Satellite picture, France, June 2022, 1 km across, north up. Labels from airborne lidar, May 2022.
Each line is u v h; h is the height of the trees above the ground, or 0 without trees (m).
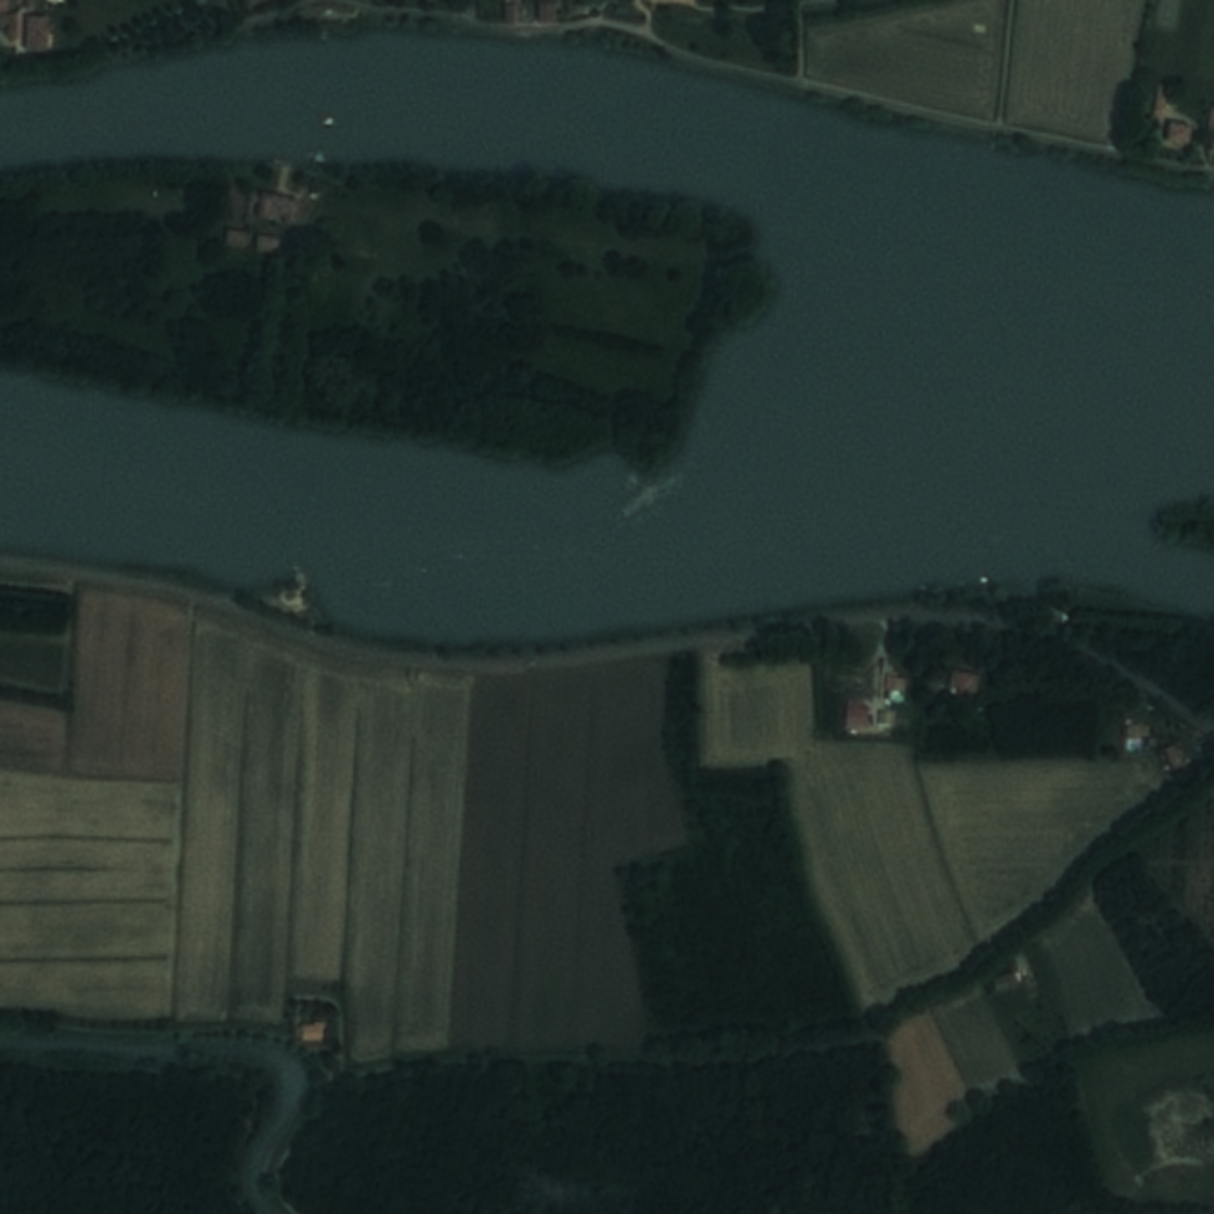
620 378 0
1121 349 0
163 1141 16
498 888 0
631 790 0
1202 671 21
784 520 0
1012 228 0
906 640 24
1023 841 0
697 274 0
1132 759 0
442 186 14
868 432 0
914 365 0
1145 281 0
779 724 0
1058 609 12
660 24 0
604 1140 17
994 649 12
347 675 0
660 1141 19
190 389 13
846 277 0
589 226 0
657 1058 20
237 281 16
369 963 0
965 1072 0
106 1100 15
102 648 0
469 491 0
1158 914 15
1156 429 0
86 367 18
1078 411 0
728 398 0
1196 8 0
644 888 11
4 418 0
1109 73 0
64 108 0
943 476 0
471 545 0
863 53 0
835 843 0
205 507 0
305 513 0
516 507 0
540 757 0
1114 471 0
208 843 0
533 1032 0
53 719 0
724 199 0
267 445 0
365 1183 20
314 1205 18
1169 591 0
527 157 0
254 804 0
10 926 0
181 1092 20
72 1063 13
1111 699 25
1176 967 29
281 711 0
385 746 0
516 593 0
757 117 0
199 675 0
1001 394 0
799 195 0
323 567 0
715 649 0
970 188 0
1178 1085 0
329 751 0
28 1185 13
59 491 0
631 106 0
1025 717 10
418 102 0
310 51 0
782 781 13
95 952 0
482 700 0
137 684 0
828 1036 14
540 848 0
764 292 29
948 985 17
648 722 0
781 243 0
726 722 0
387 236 0
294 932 0
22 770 0
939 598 18
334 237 9
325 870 0
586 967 0
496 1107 21
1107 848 21
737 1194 18
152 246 35
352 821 0
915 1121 0
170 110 0
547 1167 18
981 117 0
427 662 0
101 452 0
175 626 0
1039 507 0
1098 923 0
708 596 0
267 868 0
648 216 28
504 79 0
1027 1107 17
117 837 0
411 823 0
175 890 0
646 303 0
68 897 0
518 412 37
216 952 0
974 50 0
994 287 0
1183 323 0
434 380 16
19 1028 14
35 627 14
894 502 0
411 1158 20
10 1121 10
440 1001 0
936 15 0
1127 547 0
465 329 18
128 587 0
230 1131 19
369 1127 22
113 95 0
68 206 0
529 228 0
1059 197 0
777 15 17
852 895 0
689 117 0
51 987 0
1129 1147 0
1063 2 0
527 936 0
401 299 9
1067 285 0
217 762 0
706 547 0
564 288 0
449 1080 19
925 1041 0
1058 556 0
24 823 0
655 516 0
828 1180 30
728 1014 8
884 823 0
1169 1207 7
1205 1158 0
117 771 0
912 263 0
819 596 0
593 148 0
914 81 0
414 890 0
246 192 7
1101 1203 13
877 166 0
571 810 0
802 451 0
